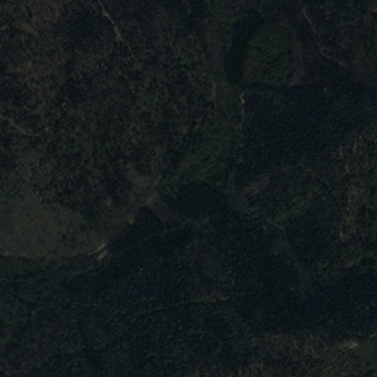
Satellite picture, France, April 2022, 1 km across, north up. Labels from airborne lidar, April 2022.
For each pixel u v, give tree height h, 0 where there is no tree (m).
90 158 29
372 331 24
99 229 24
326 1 24
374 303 24
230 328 29
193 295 27
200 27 31
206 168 25
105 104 27
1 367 30
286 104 28
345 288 22
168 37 20
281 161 10
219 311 26
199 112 35
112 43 31
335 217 19
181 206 30
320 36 20
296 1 26
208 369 14
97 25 34
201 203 31
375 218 23
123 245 27
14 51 24
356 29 21
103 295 13
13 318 17
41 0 9
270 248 19
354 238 28
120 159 22
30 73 11
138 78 23
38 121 19
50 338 24
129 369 22
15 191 15
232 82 31
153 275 12
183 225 15
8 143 9
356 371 13
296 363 33
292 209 25
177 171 19
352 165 15
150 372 23
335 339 19
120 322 16
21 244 22
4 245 25
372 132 24
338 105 20
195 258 27
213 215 24
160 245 15
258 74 0
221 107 26
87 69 28
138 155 14
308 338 12
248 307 21
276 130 21
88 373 26
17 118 14
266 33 7
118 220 25
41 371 12
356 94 21
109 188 32
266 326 18
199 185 29
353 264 10
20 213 21
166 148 24
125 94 27
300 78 28
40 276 21
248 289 22
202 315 26
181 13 34
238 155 24
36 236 15
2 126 11
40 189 14
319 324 24
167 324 20
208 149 22
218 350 19
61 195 17
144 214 29
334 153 14
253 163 23
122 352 25
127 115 27
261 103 21
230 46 20
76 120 28
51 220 17
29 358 20
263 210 24
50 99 21
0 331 16
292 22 18
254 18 32
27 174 15
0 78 13
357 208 16
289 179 21
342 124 20
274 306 19
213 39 24
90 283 15
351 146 7
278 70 10
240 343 28
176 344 19
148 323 11
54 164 24
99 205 34
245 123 12
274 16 0
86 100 30
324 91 25
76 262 28
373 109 24
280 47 10
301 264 21
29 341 21
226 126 27
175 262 24
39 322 25
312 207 16
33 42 23
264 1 7
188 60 16
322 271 7
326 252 19
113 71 30
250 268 14
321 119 25
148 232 27
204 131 15
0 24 25
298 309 20
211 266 26
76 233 23
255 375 19
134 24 29
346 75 20
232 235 23
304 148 22
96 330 22
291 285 17
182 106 25
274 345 35
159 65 27
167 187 27
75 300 15
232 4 9
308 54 21
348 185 19
